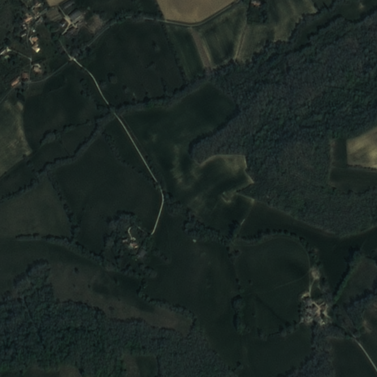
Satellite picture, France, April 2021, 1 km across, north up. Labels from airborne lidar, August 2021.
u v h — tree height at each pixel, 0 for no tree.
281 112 13
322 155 14
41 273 16
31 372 0
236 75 20
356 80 11
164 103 16
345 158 0
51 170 12
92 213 0
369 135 0
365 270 0
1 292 0
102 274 0
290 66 16
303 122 11
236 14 0
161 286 0
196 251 0
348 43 14
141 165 0
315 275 0
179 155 0
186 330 0
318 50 14
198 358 19
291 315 0
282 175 15
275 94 19
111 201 0
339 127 19
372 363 0
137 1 14
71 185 0
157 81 0
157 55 0
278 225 0
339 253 0
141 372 0
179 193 0
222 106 0
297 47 0
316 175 18
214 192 0
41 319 14
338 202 17
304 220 20
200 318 0
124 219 20
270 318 0
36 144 0
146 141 0
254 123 17
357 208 20
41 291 12
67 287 0
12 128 0
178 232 0
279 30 0
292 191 9
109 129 0
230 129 18
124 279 0
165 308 11
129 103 9
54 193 0
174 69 0
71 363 25
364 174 0
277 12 0
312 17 16
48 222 0
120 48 0
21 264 0
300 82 13
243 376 0
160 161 0
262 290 0
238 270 0
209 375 24
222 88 20
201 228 28
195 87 22
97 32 14
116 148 9
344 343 0
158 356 15
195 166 0
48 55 0
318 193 20
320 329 18
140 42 0
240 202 0
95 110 0
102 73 0
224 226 0
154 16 16
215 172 0
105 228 0
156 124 0
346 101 9
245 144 7
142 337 21
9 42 17
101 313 22
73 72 0
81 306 15
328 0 0
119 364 23
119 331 19
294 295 0
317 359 16
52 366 22
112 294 0
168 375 17
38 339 14
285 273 0
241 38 0
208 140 19
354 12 0
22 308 19
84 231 0
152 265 0
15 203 0
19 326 21
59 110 0
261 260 0
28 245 0
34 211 0
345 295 0
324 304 0
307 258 0
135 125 0
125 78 0
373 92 6
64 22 0
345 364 0
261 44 0
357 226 23
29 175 0
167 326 0
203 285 0
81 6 0
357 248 0
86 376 16
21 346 22
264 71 17
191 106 0
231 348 0
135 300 0
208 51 0
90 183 0
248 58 0
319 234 0
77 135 0
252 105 21
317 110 9
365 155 0
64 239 13
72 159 12
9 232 0
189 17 0
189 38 0
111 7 0
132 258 10
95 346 19
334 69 17
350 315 17
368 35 5
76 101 0
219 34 0
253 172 7
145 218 0
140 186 0
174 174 0
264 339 9
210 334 0
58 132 15
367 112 22
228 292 0
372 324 0
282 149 15
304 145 16
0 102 0
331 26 18
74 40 13
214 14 0
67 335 26
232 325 0
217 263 0
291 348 0
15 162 0
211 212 0
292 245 0
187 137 0
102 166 0
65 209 12
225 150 13
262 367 0
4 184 0
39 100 0
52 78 0
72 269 0
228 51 0
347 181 0
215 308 0
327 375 15
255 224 0
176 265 0
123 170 0
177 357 25
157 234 0
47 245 0
